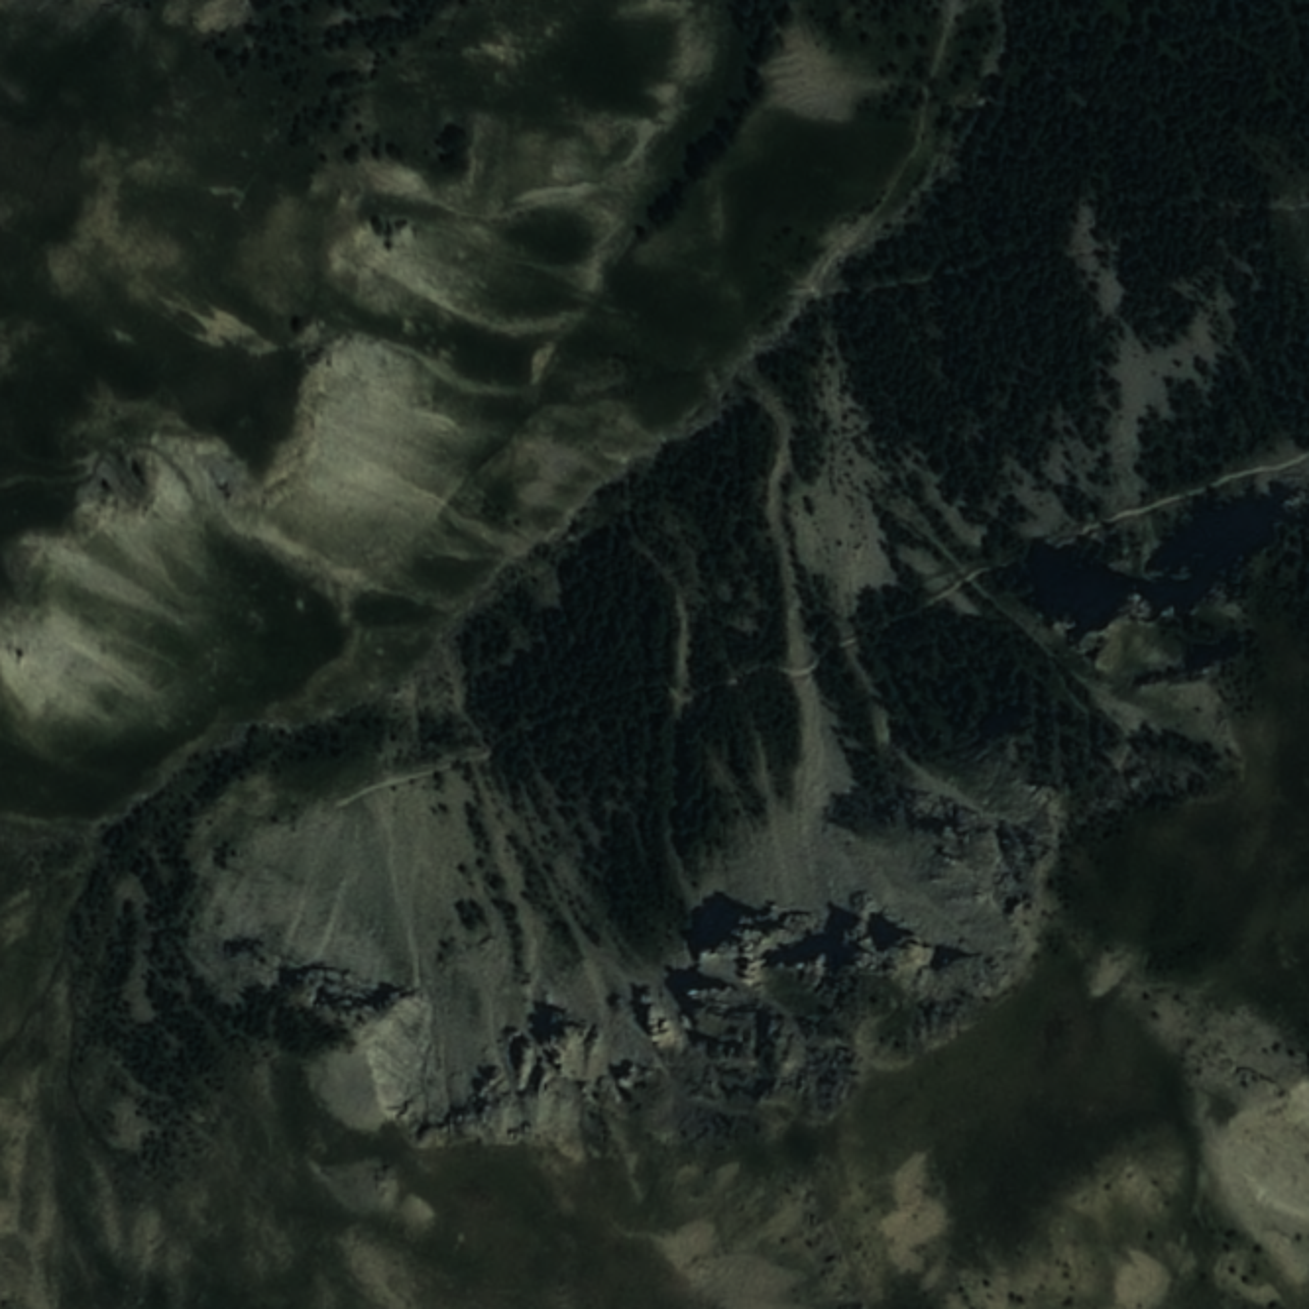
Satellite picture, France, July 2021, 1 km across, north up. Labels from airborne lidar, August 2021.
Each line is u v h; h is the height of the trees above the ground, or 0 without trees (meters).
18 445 0
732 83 0
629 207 0
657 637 18
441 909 0
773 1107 0
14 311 0
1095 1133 0
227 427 0
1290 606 8
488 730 6
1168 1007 0
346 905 0
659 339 0
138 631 0
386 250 0
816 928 0
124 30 0
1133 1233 0
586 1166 0
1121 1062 0
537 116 0
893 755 0
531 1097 0
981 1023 0
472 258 0
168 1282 0
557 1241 0
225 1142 0
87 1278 0
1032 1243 0
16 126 0
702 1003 0
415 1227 0
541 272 0
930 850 0
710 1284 0
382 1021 0
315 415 0
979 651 13
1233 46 16
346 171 0
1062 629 0
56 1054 0
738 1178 0
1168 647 0
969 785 0
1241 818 0
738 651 9
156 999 7
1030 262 21
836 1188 0
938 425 11
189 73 0
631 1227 0
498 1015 0
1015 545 15
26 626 0
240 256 0
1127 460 0
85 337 0
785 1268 0
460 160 11
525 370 0
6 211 0
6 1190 0
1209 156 16
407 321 0
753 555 11
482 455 0
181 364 0
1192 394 6
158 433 0
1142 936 0
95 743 0
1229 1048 0
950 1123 0
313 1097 0
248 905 0
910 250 9
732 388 0
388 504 0
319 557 0
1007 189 19
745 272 0
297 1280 0
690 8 0
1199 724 0
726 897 0
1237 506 0
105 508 0
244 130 0
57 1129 0
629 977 0
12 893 0
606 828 19
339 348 0
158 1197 0
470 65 0
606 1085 0
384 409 0
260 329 0
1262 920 0
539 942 0
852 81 0
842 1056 0
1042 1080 0
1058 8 19
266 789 0
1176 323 10
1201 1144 0
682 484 10
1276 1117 0
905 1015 0
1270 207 6
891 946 0
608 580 20
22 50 0
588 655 20
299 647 0
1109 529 11
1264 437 13
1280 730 0
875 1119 0
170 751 0
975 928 0
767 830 0
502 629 9
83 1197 0
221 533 0
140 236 0
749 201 0
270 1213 0
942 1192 0
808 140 0
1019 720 12
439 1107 0
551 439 0
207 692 0
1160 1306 0
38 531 0
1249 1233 0
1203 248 9
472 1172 0
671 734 8
